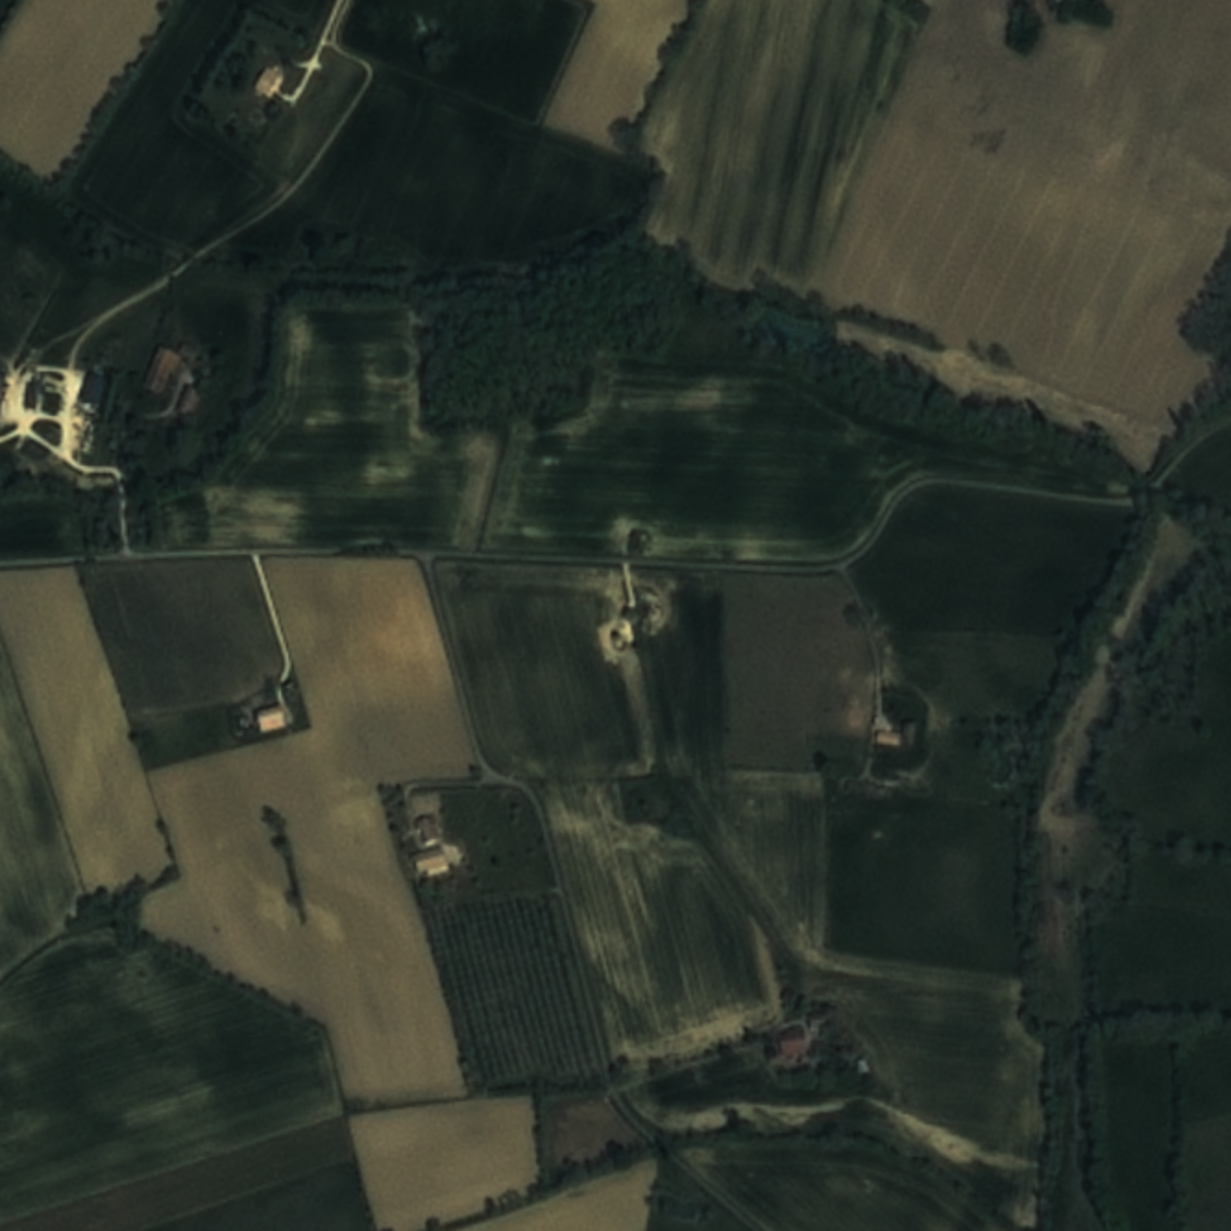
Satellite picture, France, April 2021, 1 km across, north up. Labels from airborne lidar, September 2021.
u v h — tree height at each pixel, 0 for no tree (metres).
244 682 0
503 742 0
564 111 0
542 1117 8
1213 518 23
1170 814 0
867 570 0
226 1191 0
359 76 0
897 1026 0
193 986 0
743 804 0
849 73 0
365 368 0
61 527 0
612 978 0
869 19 0
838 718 0
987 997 0
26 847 0
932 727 0
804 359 14
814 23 0
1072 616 0
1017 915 9
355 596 0
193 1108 0
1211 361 21
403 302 9
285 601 0
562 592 0
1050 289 0
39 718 0
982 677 0
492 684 0
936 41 0
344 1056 0
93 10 0
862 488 0
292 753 0
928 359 0
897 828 0
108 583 0
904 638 0
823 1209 0
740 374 0
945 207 0
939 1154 0
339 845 0
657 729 0
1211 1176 0
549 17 0
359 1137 0
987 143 0
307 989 0
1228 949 0
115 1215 0
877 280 0
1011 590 0
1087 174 0
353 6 0
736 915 0
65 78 0
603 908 0
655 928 0
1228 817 0
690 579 0
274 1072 0
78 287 0
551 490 0
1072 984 0
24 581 0
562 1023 20
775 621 0
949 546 0
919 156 0
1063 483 0
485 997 19
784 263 0
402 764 0
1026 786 8
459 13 0
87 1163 0
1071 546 0
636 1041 0
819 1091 8
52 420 0
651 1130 0
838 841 0
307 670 0
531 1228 0
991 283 0
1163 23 0
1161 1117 0
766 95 0
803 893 0
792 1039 0
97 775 0
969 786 0
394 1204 0
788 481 0
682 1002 0
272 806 0
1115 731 14
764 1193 0
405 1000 0
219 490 0
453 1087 0
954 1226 0
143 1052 0
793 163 0
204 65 0
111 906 11
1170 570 0
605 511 0
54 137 0
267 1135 0
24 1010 0
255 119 0
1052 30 0
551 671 0
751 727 0
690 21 6
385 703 0
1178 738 0
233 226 0
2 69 0
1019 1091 0
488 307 25
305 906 14
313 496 0
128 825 0
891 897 0
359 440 0
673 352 20
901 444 0
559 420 0
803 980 0
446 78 0
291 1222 0
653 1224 0
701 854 0
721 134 0
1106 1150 7
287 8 0
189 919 0
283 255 0
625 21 0
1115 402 0
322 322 0
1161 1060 0
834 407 0
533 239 0
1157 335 0
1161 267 0
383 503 0
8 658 0
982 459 0
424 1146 0
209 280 0
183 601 0
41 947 0
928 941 0
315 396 0
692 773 0
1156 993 0
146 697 0
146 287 0
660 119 0
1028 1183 0
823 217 0
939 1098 0
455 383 23
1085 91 0
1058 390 0
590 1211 0
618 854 0
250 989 7
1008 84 0
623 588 0
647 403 0
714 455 0
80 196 0
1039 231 0
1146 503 18
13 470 0
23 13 0
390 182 0
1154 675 19
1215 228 0
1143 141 0
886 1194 0
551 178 0
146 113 0
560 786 0
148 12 0
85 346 0
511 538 0
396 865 0
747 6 0
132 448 14
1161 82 0
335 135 0
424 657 0
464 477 0
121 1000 0
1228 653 0
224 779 0
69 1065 0
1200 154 0
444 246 0
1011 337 0
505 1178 0
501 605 0
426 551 0
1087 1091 17
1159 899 0
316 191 0
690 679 0
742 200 0
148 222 0
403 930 0
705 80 0
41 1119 0
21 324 0
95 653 0
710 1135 12
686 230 0
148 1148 0
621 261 21
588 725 0
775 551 0
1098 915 13
